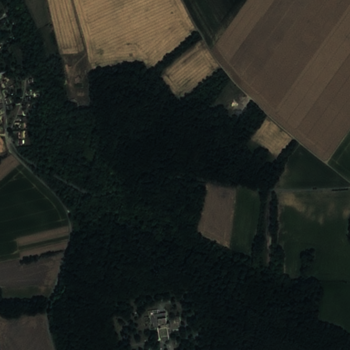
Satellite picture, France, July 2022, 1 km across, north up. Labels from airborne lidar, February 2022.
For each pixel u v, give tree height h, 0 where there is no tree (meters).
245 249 0
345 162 0
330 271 0
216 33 0
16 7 12
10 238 0
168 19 0
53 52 0
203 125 24
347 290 0
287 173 0
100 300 28
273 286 9
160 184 25
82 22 0
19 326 0
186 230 19
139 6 0
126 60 0
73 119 15
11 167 0
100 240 27
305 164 0
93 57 0
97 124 10
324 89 0
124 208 17
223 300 24
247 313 23
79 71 0
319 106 0
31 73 13
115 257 25
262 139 0
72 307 24
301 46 0
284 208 0
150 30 0
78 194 9
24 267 0
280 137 0
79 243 21
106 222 21
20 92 17
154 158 22
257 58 0
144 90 20
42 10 0
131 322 18
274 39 0
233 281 24
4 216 0
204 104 19
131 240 23
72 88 0
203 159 27
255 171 22
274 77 0
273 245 8
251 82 0
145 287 22
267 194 14
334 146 0
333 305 0
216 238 0
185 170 25
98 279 26
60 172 8
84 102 0
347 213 0
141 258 26
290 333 12
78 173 16
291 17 0
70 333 16
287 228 0
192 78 0
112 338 20
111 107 24
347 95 0
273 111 0
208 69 0
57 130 19
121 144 14
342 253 0
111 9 0
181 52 12
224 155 19
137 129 19
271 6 0
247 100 0
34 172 19
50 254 13
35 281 0
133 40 0
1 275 0
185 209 18
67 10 0
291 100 0
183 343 13
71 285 24
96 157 14
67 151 7
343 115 0
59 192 14
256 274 12
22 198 0
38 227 0
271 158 0
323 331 12
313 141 0
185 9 0
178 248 30
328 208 0
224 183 23
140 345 0
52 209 0
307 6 0
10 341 0
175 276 23
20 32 13
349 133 0
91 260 25
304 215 0
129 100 27
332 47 0
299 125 0
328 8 0
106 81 23
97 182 19
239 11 0
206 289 20
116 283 24
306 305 26
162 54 0
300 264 0
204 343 24
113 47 0
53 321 15
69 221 0
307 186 0
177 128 25
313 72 0
